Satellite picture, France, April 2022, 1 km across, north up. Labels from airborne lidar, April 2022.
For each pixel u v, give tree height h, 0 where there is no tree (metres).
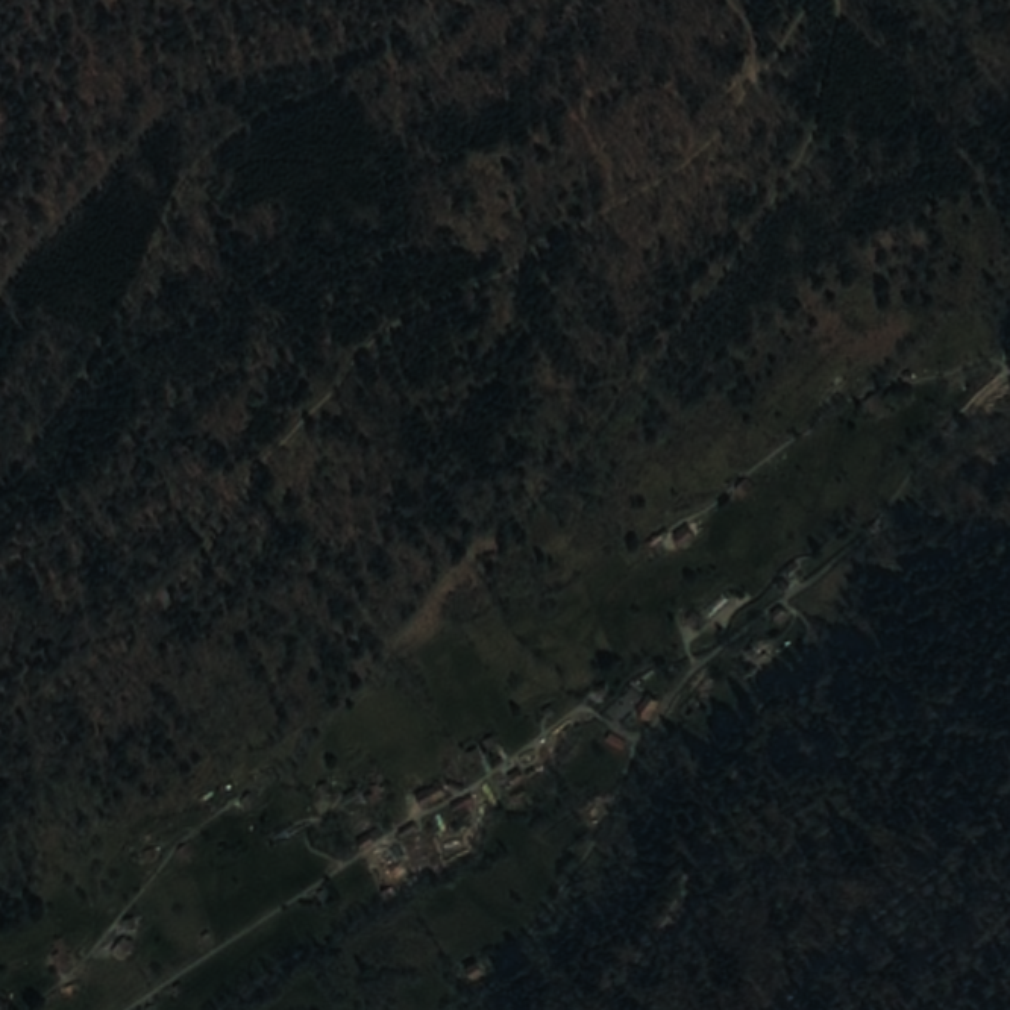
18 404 22
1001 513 18
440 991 0
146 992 0
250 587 36
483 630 0
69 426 25
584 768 0
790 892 10
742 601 0
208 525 22
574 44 15
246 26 35
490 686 0
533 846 0
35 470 23
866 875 8
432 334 21
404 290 21
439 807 0
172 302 23
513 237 8
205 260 15
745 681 0
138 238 18
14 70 12
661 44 16
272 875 0
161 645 40
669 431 27
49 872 22
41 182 32
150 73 27
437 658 0
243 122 15
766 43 19
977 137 25
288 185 18
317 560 31
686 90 24
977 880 12
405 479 13
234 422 19
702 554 0
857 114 14
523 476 23
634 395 18
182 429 35
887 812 12
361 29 20
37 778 26
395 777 0
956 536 21
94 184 18
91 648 38
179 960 0
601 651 0
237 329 32
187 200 10
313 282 27
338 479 15
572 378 17
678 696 0
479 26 14
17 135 26
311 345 25
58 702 21
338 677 7
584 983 16
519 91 27
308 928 0
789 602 0
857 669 24
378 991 10
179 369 23
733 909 16
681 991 15
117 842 0
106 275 12
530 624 0
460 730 0
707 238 21
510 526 19
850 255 24
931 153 35
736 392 22
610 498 7
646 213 18
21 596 36
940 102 21
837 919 9
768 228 23
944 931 10
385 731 0
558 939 15
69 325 25
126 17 30
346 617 17
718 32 9
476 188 17
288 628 17
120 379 18
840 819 18
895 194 25
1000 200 18
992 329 13
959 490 8
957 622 28
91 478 29
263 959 0
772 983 13
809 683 41
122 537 10
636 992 13
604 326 21
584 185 19
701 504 0
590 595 0
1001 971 32
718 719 0
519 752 0
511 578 11
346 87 25
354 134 23
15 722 41
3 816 33
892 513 22
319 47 15
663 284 15
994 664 35
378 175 19
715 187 19
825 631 18
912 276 16
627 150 18
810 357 8
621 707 0
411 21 22
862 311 0
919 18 20
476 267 14
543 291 30
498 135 25
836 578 0
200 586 38
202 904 0
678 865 34
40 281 12
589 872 16
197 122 26
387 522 35
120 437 25
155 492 34
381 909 20
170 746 20
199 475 34
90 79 17
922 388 0
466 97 17
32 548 34
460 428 13
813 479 0
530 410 11
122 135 23
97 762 25
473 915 0
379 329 14
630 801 9
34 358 20
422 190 16
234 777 0
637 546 16
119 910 0
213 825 0
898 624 21
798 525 0
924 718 25
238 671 8
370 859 0
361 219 16
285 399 23
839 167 31
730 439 0
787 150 23
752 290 21
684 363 6
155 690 30
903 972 7
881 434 0
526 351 27
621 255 22
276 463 17
